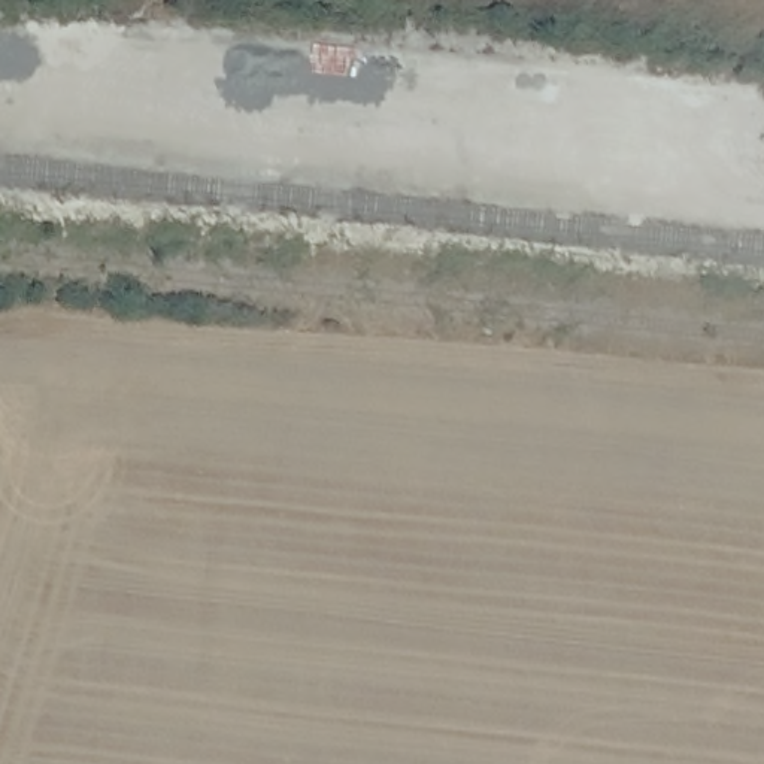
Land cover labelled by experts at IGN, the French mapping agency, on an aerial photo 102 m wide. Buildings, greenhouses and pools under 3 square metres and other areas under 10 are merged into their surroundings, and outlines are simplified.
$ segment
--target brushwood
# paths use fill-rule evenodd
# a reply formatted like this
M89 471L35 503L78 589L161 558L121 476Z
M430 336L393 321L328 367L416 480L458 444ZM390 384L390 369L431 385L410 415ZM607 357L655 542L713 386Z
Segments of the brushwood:
M594 12L591 0L585 0L579 9L564 12L558 18L537 18L537 12L510 9L507 0L164 0L164 6L173 9L176 18L182 18L191 27L227 30L236 21L266 24L275 30L275 36L292 27L340 33L394 33L406 24L415 24L415 30L424 33L480 33L501 42L540 42L567 54L600 54L612 63L630 63L645 57L648 75L657 78L701 75L707 81L737 81L764 90L764 30L758 30L758 24L731 24L722 30L707 30L704 9L689 0L680 0L674 9L666 9L654 33L642 33L636 27L627 27L618 15Z
M501 272L525 272L537 281L558 281L561 287L582 284L594 266L576 260L555 260L552 254L486 248L472 251L460 245L442 245L436 251L436 269L489 266Z
M764 281L710 272L695 275L701 289L710 295L764 298Z
M0 30L27 21L93 21L98 3L113 0L0 0Z
M101 287L57 275L6 275L0 269L0 307L6 310L15 304L63 304L72 310L104 310L113 319L161 316L185 325L233 328L289 325L295 319L295 310L289 307L260 307L254 301L197 289L152 292L131 275L113 275Z
M307 242L301 236L287 236L278 230L248 233L230 224L197 227L173 218L158 218L143 227L131 227L122 218L36 221L24 212L0 209L0 242L6 245L9 239L15 239L39 245L45 239L54 239L63 248L81 251L113 248L119 254L152 254L155 263L164 263L167 257L179 254L182 260L233 260L239 266L266 266L272 272L289 272L301 266Z

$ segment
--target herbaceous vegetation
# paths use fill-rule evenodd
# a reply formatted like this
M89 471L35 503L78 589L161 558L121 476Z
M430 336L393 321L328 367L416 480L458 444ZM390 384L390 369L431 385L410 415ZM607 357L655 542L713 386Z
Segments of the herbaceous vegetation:
M674 9L680 0L591 0L594 12L618 15L627 27L636 27L642 33L654 33L666 9Z
M764 30L764 0L689 0L704 9L707 30L722 30L731 24L758 24L758 30Z
M164 6L164 0L113 0L98 3L93 21L134 27L176 18L173 9Z
M525 272L501 272L489 266L436 269L436 251L331 251L325 242L307 242L301 266L289 272L272 272L266 266L239 266L233 260L182 260L179 254L167 257L164 263L155 263L152 254L119 254L113 248L81 251L63 248L54 239L45 239L39 245L15 239L9 239L6 245L0 242L0 269L6 275L57 275L101 287L113 275L131 275L152 292L197 289L254 301L260 307L289 307L295 310L295 319L289 325L304 334L334 331L355 337L412 337L457 343L519 340L522 346L558 346L573 352L603 352L618 358L666 364L764 367L764 298L710 295L701 289L695 275L657 278L639 272L603 272L594 266L582 284L561 287L558 281L537 281Z
M510 9L537 12L537 18L558 18L564 12L579 9L585 0L507 0Z

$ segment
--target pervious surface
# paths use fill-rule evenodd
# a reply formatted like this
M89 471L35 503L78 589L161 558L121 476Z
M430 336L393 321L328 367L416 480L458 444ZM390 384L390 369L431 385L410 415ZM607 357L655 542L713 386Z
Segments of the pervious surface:
M57 331L69 331L69 337L113 337L203 352L331 352L343 358L472 367L492 373L567 373L615 382L764 394L764 367L666 364L618 358L603 352L573 352L558 346L522 346L519 340L457 343L412 337L355 337L334 331L304 334L289 325L233 328L185 325L161 316L113 319L104 310L72 310L63 304L15 304L6 310L0 307L0 340L6 334L18 340L42 340Z
M331 251L436 251L442 245L460 245L472 251L486 248L552 254L555 260L576 260L594 266L603 272L639 272L657 278L695 275L710 272L764 281L764 90L737 81L707 81L701 75L657 78L648 75L645 57L630 63L612 63L600 54L567 54L540 42L501 42L480 33L424 33L415 30L415 24L406 24L394 33L340 33L292 27L275 36L275 30L266 24L236 21L227 30L191 27L182 18L176 18L134 27L93 21L27 21L0 30L0 209L24 212L36 221L122 218L131 227L143 227L158 218L173 218L197 227L230 224L248 233L278 230L287 236L301 236L307 242L325 242Z

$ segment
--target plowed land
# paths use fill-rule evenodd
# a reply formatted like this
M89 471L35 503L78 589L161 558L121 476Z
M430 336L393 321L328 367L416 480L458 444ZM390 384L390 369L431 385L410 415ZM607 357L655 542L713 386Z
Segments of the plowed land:
M0 764L764 764L764 394L615 382L567 373L492 373L472 367L343 358L331 352L203 352L113 337L69 337L69 331L57 331L42 340L18 340L6 334L0 340Z

